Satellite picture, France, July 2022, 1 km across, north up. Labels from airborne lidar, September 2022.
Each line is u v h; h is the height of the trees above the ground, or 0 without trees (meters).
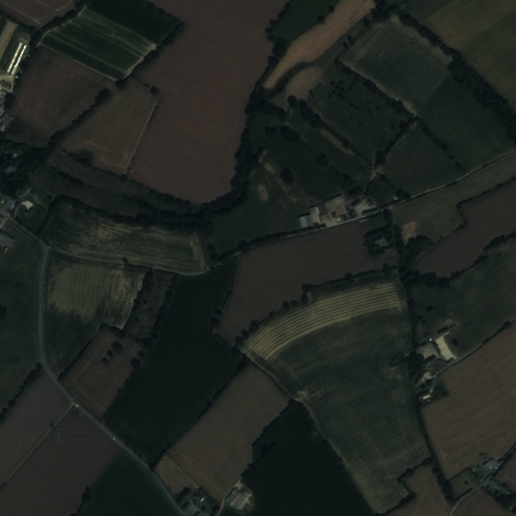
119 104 0
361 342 0
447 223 0
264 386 0
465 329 0
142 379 0
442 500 0
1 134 12
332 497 0
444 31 0
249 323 0
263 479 0
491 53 0
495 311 0
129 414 0
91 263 0
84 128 0
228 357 0
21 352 0
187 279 0
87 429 0
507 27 0
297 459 0
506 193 0
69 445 0
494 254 0
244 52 0
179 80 0
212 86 0
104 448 0
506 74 0
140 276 0
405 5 0
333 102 0
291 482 0
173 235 0
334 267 0
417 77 0
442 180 0
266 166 0
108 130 0
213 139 0
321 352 0
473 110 0
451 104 0
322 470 0
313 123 16
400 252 14
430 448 7
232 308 0
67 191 0
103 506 0
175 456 0
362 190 8
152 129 0
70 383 0
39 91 0
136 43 0
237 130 0
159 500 0
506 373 0
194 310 0
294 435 0
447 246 0
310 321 0
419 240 13
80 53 0
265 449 16
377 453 0
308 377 0
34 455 0
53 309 0
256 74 0
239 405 0
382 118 0
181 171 0
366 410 0
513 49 0
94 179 0
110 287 0
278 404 0
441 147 6
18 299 0
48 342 0
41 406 0
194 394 0
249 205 0
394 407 0
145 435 0
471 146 0
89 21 0
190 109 0
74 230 0
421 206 0
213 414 0
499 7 0
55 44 0
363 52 0
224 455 0
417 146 0
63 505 0
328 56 0
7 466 0
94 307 0
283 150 0
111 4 0
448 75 0
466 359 0
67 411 0
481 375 0
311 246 0
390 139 0
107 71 0
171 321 0
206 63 0
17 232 0
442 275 0
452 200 0
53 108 0
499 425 0
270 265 0
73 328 0
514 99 0
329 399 0
